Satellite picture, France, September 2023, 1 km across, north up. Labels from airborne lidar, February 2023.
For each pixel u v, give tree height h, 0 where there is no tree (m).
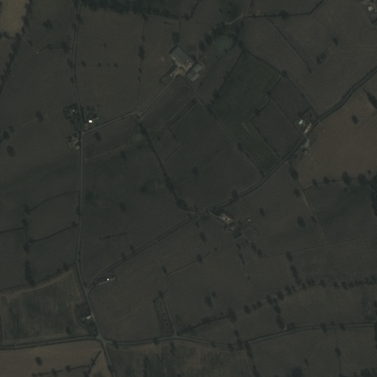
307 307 0
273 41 0
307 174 0
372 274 0
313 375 0
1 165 0
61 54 0
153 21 0
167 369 0
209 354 0
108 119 0
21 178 0
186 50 0
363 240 0
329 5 0
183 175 0
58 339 0
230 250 0
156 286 0
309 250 0
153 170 0
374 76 0
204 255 0
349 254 0
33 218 0
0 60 0
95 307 0
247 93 0
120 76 0
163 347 0
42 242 0
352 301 0
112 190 0
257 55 0
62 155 0
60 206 0
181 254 0
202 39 0
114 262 0
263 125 0
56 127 0
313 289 0
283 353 0
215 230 0
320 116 0
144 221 0
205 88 0
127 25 0
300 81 0
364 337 0
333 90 0
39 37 0
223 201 0
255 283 0
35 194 0
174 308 0
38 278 0
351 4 0
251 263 0
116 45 0
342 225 0
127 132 0
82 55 0
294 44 0
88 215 0
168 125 0
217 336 0
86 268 0
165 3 0
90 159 0
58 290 0
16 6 0
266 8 0
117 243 0
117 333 0
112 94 0
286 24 0
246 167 0
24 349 0
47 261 0
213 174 0
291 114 0
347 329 0
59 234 0
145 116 0
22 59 0
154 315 0
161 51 0
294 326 11
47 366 0
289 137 0
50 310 0
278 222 0
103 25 0
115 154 0
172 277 0
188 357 0
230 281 0
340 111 0
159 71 0
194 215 0
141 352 0
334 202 0
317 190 0
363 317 0
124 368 0
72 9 0
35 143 0
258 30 0
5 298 0
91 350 0
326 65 0
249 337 0
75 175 0
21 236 0
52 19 0
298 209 0
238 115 0
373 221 0
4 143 0
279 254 0
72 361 0
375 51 0
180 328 0
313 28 0
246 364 0
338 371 0
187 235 0
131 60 0
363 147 0
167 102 0
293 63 0
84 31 0
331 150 0
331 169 0
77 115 8
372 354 0
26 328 0
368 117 0
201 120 0
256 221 0
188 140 0
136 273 0
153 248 0
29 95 0
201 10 0
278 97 0
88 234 0
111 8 13
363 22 0
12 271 0
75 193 0
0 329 0
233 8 0
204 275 0
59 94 0
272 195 0
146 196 0
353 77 0
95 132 0
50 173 0
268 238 0
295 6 0
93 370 0
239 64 0
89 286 0
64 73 0
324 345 0
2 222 0
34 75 0
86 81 0
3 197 0
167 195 0
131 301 0
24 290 0
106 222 0
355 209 0
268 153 0
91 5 18
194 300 0
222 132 0
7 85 0
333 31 0
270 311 0
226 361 0
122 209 15
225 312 0
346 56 0
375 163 0
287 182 0
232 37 10
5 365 0
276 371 0
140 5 17
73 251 0
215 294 8
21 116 0
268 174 0
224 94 0
